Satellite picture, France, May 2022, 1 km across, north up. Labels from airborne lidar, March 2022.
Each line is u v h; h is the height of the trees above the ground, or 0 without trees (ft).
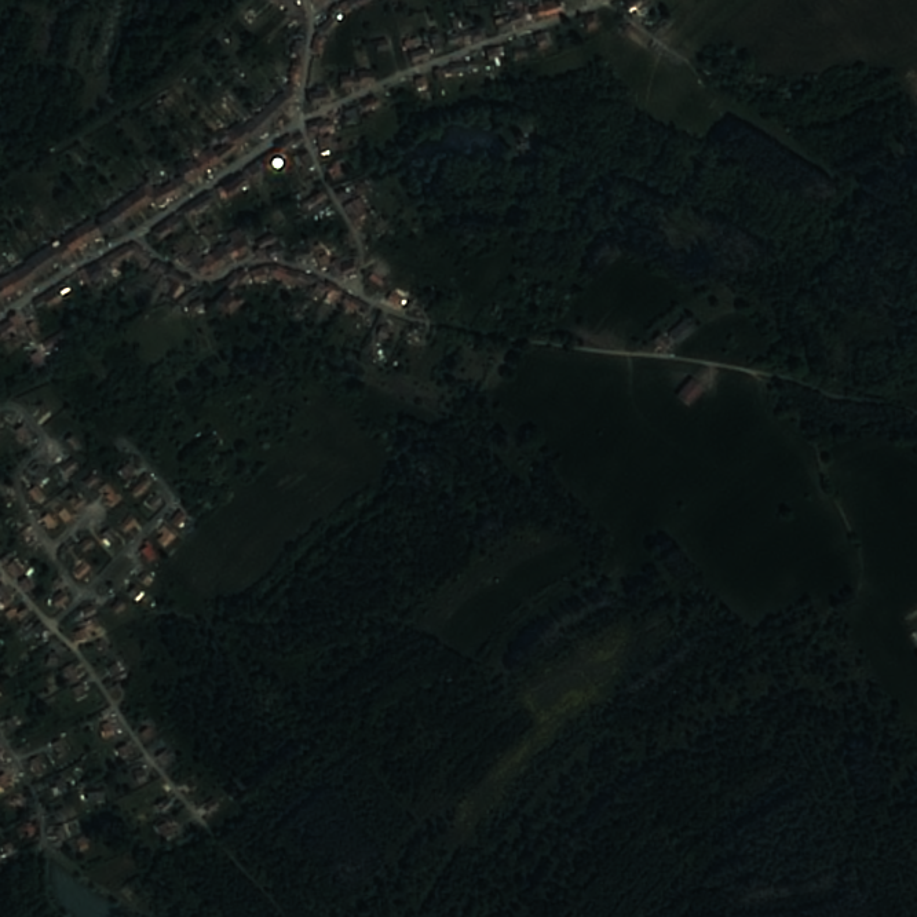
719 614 21
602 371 0
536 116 79
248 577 0
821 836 84
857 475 0
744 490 0
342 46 0
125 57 45
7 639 21
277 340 23
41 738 0
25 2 53
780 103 42
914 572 0
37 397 0
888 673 0
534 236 77
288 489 0
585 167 85
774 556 0
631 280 0
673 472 0
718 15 0
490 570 0
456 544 46
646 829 20
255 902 43
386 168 35
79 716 0
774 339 55
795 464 0
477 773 22
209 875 35
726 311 0
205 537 0
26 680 18
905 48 0
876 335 0
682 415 0
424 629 0
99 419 0
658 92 0
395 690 52
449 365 60
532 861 64
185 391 52
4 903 53
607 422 0
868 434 35
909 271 74
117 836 61
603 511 0
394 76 0
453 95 0
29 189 0
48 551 0
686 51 0
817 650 48
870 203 81
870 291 86
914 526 0
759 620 0
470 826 0
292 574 24
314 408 0
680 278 90
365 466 0
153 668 27
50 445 0
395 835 26
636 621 31
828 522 0
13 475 18
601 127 87
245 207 0
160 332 0
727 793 29
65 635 0
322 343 25
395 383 0
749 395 0
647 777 41
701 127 0
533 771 21
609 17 0
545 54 0
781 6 0
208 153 0
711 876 43
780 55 0
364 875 76
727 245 112
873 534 0
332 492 0
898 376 56
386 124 0
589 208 88
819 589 0
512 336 26
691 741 28
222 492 37
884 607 0
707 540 0
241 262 0
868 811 56
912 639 0
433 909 27
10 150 69
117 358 0
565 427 0
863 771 89
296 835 71
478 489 59
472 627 0
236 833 41
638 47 0
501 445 91
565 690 0
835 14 0
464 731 23
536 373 0
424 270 0
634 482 0
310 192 0
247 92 33
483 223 96
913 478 0
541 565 0
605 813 66
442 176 91
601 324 0
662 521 0
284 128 0
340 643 34
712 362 0
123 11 0
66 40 44
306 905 33
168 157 23
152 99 0
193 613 0
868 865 20
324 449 0
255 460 0
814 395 34
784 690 41
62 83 49
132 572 0
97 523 0
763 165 107
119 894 0
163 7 81
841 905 76
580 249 76
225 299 0
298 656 23
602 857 47
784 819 74
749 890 79
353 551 50
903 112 47
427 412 0
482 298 0
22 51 57
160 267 0
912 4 0
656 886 35
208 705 43
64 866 0
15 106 62
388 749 33
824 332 22
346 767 46
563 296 19
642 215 82
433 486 64
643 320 0
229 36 24
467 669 50
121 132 21
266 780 37
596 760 53
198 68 0
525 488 41
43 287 0
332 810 85
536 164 85
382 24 0
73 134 47
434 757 23
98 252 0
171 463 0
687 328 0
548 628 77
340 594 65
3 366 0
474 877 31
